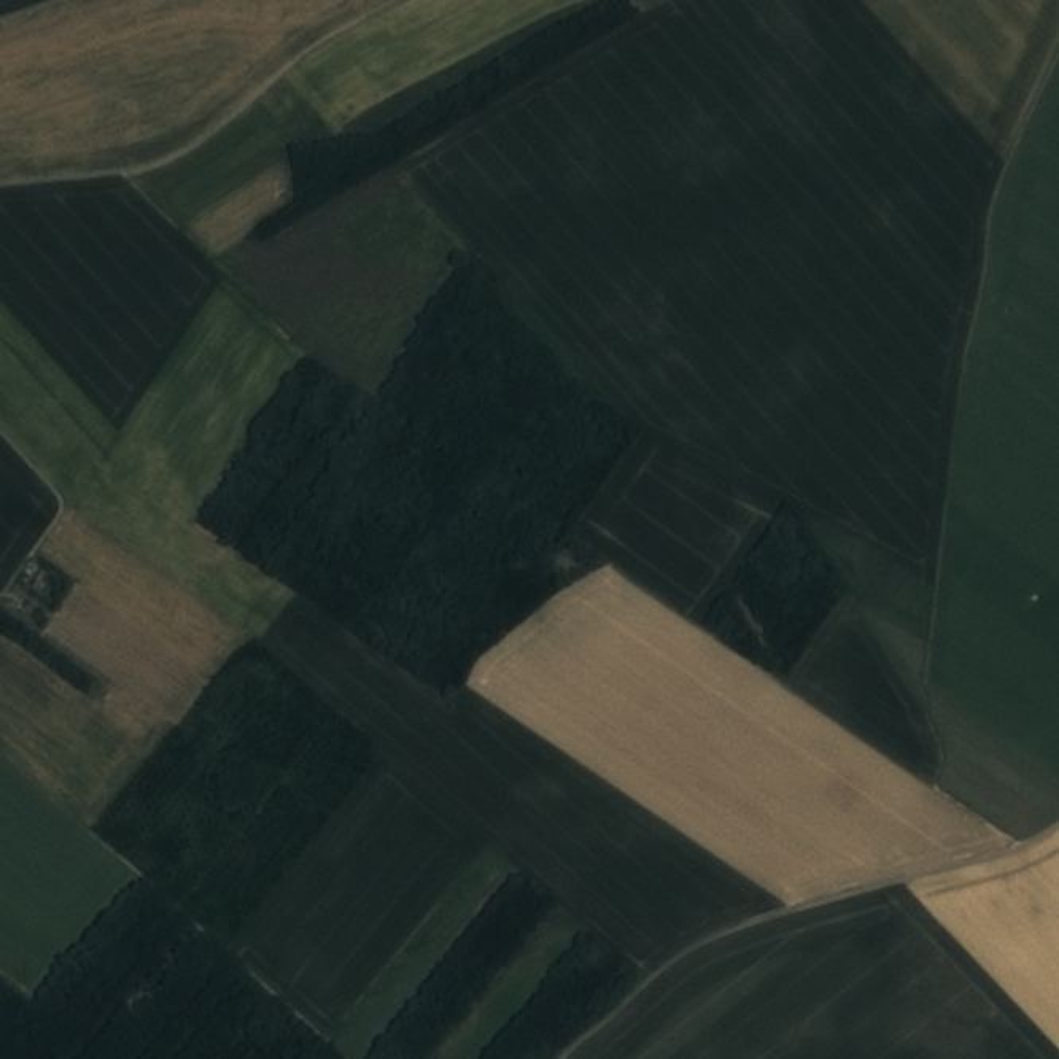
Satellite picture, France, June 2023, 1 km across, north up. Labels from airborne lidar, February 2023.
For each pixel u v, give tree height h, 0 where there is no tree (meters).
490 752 0
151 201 0
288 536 18
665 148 0
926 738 0
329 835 0
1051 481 0
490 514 16
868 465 0
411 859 0
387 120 0
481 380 18
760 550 17
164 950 19
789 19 0
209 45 0
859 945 0
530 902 9
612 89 0
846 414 0
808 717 0
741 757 0
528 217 0
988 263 0
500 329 13
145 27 0
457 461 9
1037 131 0
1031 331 0
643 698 0
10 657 0
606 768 0
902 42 0
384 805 0
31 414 0
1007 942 0
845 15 0
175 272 0
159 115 0
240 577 0
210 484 0
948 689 0
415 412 15
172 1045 24
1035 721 0
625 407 0
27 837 0
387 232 0
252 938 0
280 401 10
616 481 0
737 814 0
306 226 0
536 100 0
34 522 0
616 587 0
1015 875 0
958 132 0
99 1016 19
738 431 0
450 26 0
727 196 0
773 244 0
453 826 0
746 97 0
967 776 0
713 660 0
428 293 0
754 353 0
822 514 0
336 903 0
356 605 11
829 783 0
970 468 0
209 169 0
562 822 0
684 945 0
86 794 0
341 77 0
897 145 0
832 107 0
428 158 0
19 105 0
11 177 0
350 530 11
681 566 0
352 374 0
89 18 0
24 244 0
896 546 0
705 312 0
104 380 0
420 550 13
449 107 7
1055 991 0
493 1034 0
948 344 0
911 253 0
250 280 0
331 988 0
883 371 0
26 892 0
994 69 0
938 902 0
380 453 13
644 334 0
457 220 0
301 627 0
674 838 0
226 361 0
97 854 0
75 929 0
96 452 0
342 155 15
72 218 0
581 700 0
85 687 10
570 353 0
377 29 0
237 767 14
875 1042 0
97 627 0
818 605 8
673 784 0
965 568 0
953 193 0
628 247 0
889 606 0
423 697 0
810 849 0
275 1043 7
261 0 0
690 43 0
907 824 0
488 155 0
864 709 0
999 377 0
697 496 0
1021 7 0
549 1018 14
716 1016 0
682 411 0
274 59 0
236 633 0
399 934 0
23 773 0
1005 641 0
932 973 0
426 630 15
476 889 0
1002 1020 0
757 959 0
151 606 0
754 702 0
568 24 7
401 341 0
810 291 0
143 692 0
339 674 0
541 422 13
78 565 0
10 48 0
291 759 6
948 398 0
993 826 0
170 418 0
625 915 0
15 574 0
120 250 0
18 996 18
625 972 16
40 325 0
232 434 0
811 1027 0
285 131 0
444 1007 21
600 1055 0
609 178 0
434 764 0
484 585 11
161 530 0
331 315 0
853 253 0
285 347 0
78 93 0
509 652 0
